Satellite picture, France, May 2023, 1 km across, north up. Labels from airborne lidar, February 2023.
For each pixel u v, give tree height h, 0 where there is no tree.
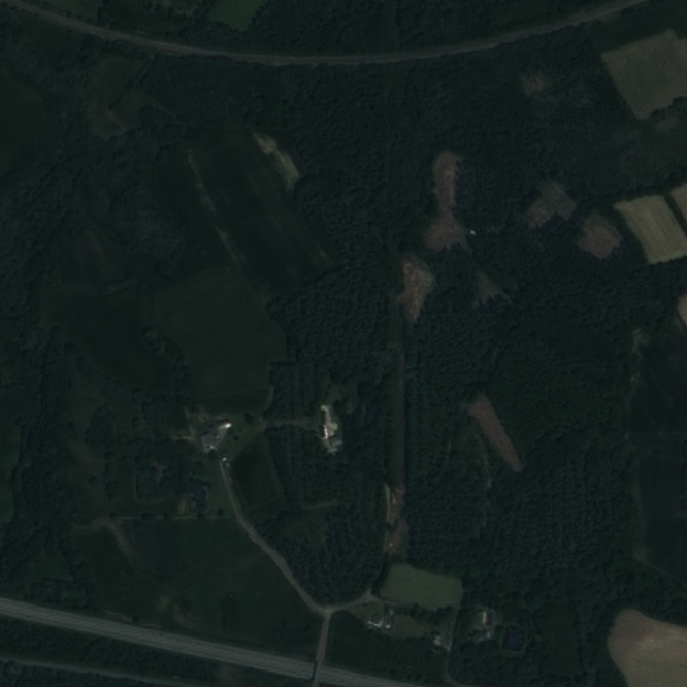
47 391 27
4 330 15
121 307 0
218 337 0
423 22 9
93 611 9
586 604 9
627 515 9
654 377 0
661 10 0
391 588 0
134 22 0
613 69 0
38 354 6
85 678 10
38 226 11
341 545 14
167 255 12
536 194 21
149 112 11
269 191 0
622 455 21
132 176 0
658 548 0
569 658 0
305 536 0
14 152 0
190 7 0
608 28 0
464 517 17
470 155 20
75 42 0
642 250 13
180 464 15
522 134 8
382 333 14
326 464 18
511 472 14
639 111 0
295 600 0
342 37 11
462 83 11
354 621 7
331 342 16
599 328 19
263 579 0
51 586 9
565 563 18
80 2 0
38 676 16
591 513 17
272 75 19
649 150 0
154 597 0
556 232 17
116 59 0
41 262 18
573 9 9
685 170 13
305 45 11
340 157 14
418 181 9
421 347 13
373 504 14
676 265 15
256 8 0
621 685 10
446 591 0
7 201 0
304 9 8
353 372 16
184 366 8
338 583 14
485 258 32
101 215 0
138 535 0
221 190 0
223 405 0
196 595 0
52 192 11
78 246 0
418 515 17
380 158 21
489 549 15
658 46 0
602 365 9
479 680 7
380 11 18
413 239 18
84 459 0
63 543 19
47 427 17
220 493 0
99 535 0
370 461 18
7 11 9
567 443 19
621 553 15
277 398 13
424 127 9
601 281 16
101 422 15
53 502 16
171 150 18
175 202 0
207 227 0
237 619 0
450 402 16
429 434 18
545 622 20
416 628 0
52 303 0
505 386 13
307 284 8
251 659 0
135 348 0
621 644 0
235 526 0
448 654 12
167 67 11
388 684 0
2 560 28
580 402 15
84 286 0
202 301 0
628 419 0
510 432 13
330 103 14
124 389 11
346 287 20
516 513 17
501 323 14
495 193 19
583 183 12
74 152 8
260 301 0
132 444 9
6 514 0
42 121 0
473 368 18
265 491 0
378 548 16
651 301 21
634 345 0
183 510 0
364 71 25
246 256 0
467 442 0
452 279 8
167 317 0
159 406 16
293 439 14
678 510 0
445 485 17
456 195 0
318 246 0
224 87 16
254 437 0
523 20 14
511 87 9
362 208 21
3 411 18
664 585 12
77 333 0
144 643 0
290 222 0
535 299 14
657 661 0
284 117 13
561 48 13
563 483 19
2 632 10
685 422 0
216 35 16
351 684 0
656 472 0
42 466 30
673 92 0
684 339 0
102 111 0
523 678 11
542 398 13
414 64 7
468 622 12
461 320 16
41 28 0
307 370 18
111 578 0
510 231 23
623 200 12
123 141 7
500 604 7
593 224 0
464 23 8
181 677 7
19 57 12
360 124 14
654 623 0
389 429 18
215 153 0
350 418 11
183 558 0
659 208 0
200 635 0
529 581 9
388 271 12
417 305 20
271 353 0
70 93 10
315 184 20
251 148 0
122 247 0
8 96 0
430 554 19
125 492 0
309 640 0
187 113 18
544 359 10
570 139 6
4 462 0
